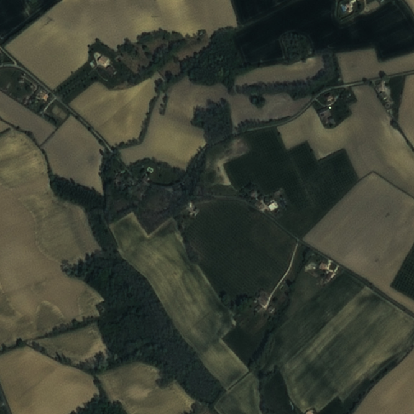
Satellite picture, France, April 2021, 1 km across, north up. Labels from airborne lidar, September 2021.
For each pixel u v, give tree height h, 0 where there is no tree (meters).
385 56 0
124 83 0
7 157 0
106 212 21
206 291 0
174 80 29
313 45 0
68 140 0
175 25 0
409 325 0
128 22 0
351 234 0
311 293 0
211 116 23
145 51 17
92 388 0
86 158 0
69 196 28
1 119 6
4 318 0
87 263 16
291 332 0
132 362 16
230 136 13
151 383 0
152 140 0
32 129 0
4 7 0
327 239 0
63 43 0
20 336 0
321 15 0
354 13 6
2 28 0
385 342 0
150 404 0
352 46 0
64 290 0
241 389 0
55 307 0
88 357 0
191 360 16
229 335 0
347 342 0
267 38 0
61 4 0
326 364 0
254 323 0
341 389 0
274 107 0
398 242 0
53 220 0
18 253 0
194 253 11
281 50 0
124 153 0
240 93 18
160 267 0
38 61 0
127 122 0
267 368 0
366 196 0
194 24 0
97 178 0
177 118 0
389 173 0
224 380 0
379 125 0
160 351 18
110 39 0
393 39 0
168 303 0
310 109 0
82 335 0
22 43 0
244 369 0
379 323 0
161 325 18
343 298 0
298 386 0
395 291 0
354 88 0
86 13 0
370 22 0
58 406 0
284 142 0
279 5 0
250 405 0
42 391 0
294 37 9
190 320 0
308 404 0
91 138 0
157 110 0
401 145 0
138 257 0
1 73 0
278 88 19
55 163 0
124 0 0
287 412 0
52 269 0
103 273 22
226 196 0
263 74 0
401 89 0
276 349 0
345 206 0
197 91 0
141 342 23
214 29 0
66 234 0
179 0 0
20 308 0
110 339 8
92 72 0
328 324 0
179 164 0
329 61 22
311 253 17
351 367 0
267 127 0
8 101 0
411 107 0
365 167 0
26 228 0
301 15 0
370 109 0
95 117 0
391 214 0
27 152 0
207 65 18
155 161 16
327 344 0
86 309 0
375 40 0
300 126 0
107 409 17
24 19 0
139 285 12
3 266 0
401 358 0
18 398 0
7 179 0
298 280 0
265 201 8
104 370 23
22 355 0
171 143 0
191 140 0
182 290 0
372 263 0
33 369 0
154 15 0
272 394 0
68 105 0
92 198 26
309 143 0
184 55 0
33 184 0
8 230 0
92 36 0
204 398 18
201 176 17
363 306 0
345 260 0
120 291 19
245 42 0
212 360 0
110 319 0
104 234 7
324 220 0
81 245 0
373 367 0
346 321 0
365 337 0
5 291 0
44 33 0
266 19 0
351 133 0
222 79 11
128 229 0
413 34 0
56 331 13
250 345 0
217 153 0
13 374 0
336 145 0
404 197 0
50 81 0
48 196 0
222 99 0
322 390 0
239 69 26
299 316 0
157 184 8
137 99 0
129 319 16
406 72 0
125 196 7
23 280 0
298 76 0
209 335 0
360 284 0
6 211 0
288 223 0
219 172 0
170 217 14
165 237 0
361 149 0
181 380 16
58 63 0
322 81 18
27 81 0
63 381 0
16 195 0
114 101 0
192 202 12
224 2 0
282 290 0
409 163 0
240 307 23
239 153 0
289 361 0
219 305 0
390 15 0
